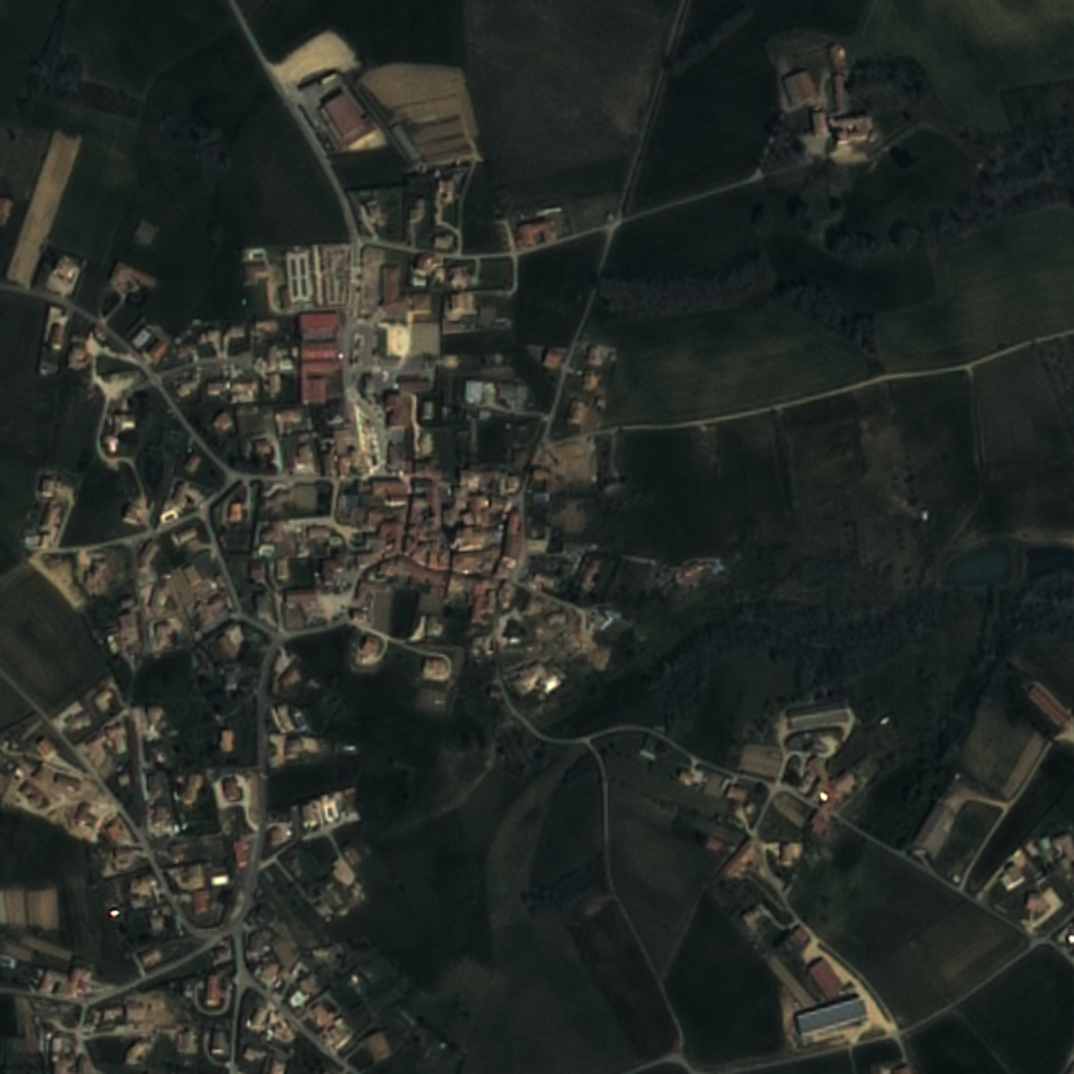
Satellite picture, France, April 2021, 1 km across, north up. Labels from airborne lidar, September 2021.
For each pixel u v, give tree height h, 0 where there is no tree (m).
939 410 0
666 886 0
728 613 0
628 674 0
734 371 0
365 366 0
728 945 0
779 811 0
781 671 0
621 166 0
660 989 0
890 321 0
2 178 0
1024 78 0
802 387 0
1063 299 0
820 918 0
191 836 7
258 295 0
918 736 6
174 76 0
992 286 0
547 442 0
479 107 0
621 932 0
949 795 0
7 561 0
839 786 0
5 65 0
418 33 0
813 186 15
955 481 0
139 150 0
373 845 0
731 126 0
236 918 0
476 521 0
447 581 0
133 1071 0
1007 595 12
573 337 0
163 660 0
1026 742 0
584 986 0
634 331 0
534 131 0
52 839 0
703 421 0
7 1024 0
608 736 0
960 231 9
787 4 0
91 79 0
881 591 10
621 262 0
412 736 0
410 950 0
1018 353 0
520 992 0
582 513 0
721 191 0
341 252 0
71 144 0
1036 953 0
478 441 0
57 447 0
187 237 0
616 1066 0
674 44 0
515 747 22
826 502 0
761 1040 0
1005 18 0
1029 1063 0
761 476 0
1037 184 6
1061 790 0
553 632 0
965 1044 0
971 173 0
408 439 6
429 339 0
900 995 0
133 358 0
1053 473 0
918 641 10
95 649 0
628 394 0
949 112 0
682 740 0
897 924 0
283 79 0
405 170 0
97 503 0
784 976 0
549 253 0
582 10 0
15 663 0
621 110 0
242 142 0
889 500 0
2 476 0
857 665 14
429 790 0
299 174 0
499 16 0
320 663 0
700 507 0
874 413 0
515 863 0
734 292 25
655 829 0
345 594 0
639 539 0
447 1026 0
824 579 7
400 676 0
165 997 0
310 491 0
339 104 0
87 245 0
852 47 0
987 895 0
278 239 0
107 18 0
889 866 0
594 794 0
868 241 11
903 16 0
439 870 0
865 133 0
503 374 0
